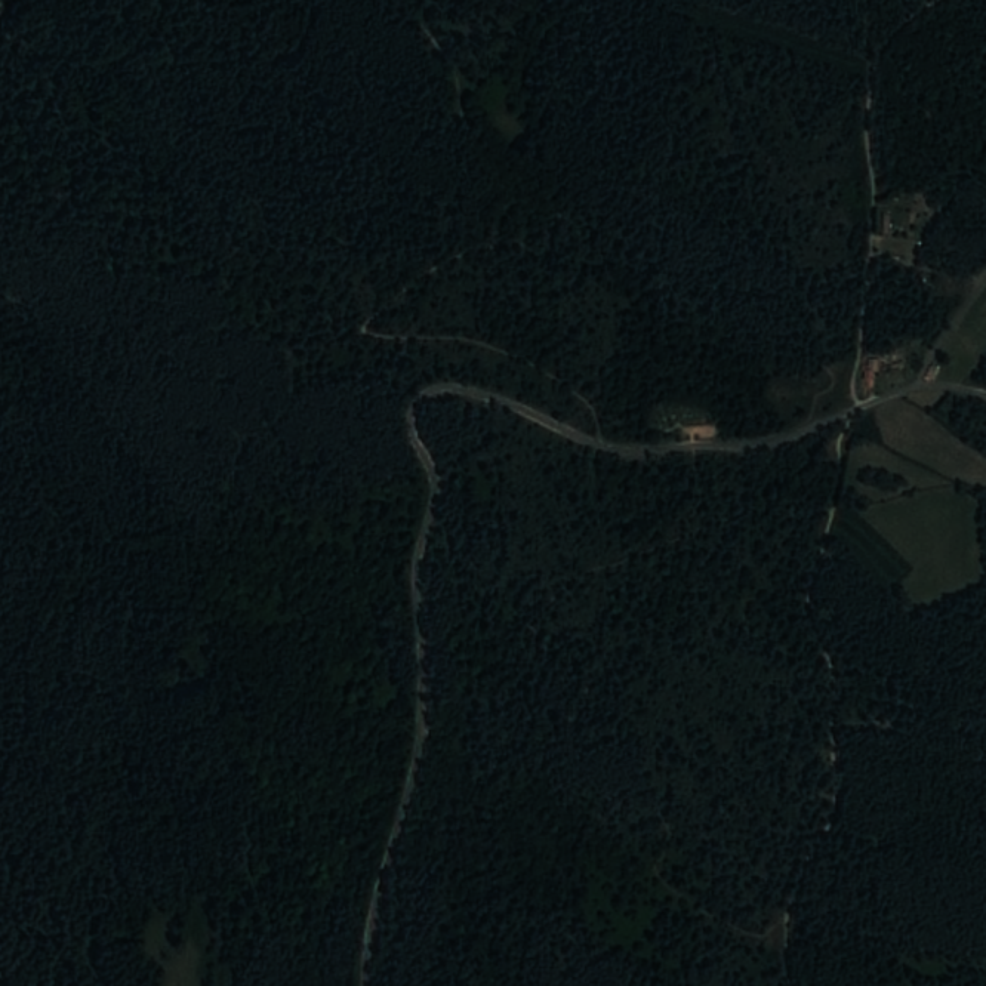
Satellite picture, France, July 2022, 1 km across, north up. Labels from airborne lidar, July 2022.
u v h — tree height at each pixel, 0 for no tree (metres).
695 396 9
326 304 12
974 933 19
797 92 9
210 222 20
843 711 13
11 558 22
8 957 32
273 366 17
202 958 0
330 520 9
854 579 23
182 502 22
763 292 17
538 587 13
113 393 25
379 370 11
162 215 7
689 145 9
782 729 20
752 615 10
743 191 7
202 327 18
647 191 21
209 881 16
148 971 17
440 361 6
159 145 27
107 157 25
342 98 32
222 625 18
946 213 13
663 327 10
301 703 11
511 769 19
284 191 28
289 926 13
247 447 16
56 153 26
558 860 8
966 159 10
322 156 17
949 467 0
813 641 8
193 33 22
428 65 19
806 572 9
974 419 9
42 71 24
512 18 18
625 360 17
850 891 19
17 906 31
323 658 13
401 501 9
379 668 10
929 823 24
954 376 0
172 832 23
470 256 15
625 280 18
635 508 8
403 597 10
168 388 17
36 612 25
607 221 20
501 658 9
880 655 26
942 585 0
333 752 15
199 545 15
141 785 31
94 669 27
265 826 12
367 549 10
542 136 21
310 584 10
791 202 10
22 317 20
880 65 9
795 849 15
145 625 24
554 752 16
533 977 13
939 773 25
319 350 8
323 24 28
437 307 10
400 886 17
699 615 9
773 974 14
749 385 15
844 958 17
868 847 15
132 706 30
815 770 16
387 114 23
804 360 15
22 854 31
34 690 30
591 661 12
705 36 11
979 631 22
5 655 25
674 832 6
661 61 25
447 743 9
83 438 27
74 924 30
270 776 13
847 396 0
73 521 27
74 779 33
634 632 16
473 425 16
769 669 12
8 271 19
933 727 27
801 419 12
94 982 25
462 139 30
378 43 25
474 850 7
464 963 22
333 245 25
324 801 17
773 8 22
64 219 26
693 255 17
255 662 16
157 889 32
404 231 22
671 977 12
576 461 14
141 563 26
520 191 19
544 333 11
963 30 9
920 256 14
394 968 20
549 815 13
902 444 0
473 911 10
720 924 9
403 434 18
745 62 17
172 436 21
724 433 8
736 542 18
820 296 18
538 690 18
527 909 7
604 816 9
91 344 24
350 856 6
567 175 26
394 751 17
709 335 11
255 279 10
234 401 18
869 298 14
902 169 6
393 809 10
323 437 19
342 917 21
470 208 16
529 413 0
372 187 29
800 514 11
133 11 30
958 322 0
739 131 16
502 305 11
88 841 35
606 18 30
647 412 11
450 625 14
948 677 24
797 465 15
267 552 6
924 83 8
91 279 20
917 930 19
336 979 18
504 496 8
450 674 21
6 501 27
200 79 30
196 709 29
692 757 6
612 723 23
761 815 6
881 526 0
